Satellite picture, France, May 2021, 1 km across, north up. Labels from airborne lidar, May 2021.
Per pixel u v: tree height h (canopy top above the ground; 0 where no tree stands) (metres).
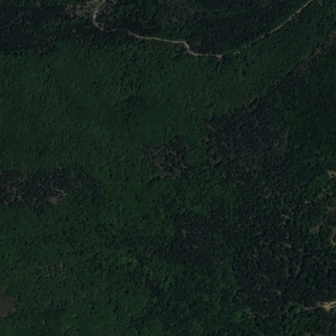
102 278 35
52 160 13
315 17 14
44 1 23
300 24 14
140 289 25
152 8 26
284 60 14
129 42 11
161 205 18
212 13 18
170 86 30
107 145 21
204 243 25
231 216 8
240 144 29
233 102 24
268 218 28
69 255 19
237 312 24
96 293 20
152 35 15
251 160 11
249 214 28
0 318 14
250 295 27
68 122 12
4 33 14
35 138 17
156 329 19
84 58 20
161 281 24
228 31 13
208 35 12
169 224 21
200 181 17
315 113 8
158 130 20
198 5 16
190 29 15
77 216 21
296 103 20
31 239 26
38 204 19
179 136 22
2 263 17
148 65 13
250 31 22
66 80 16
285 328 30
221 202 27
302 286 37
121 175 23
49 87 12
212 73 23
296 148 22
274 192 27
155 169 21
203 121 17
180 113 25
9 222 19
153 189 20
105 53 19
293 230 33
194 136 25
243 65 17
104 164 21
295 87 27
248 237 20
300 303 31
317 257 34
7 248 22
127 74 24
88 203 12
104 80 13
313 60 15
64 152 14
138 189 25
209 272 27
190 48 7
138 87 16
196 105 19
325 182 23
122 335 21
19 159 14
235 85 24
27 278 17
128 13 25
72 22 19
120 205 23
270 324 30
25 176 11
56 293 18
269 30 14
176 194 19
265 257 34
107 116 22
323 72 17
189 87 16
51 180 21
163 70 21
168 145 6
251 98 19
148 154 19
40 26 18
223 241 14
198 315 31
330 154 20
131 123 19
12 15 18
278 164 8
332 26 15
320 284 41
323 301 39
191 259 34
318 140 15
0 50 11
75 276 23
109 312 24
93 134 23
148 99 22
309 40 18
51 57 18
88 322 25
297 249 40
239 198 23
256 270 31
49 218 20
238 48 20
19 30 19
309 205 23
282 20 15
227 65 20
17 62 20
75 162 16
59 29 13
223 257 19
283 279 37
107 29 12
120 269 23
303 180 21
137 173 21
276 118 21
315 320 11
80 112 16
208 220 30
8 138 14
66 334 19
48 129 12
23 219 19
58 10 17
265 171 11
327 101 19
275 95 24
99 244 19
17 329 15
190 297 29
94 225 20
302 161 25
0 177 12
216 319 26
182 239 37
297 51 14
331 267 8
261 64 12
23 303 14
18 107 18
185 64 15
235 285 20
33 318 18
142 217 26
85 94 17
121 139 18
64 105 18
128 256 20
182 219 32
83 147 19
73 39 13
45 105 9
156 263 25
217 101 20
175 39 9
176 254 32
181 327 25
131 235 22
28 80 16
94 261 26
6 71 20
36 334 19
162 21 22
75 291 17
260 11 14
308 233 32
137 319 27
